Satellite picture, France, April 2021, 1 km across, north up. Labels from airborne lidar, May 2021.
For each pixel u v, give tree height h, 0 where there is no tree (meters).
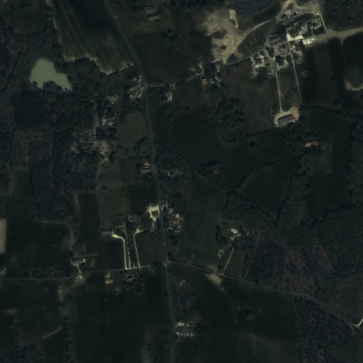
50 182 20
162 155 12
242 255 0
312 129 0
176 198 14
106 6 0
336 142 0
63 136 16
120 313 0
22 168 14
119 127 0
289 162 0
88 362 0
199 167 6
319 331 19
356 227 24
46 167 22
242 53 0
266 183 0
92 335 0
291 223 24
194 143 0
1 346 0
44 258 0
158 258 0
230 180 0
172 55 0
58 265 0
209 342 0
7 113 9
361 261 19
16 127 9
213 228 0
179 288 0
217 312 0
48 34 12
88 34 0
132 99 19
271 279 19
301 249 16
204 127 0
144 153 9
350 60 0
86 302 0
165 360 0
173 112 0
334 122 0
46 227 0
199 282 0
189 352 0
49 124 17
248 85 0
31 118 19
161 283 0
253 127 0
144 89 0
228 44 0
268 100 0
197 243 0
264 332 0
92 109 23
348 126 0
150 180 9
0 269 0
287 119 0
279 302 0
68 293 0
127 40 0
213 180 11
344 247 20
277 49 0
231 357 0
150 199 0
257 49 0
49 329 0
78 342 0
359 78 0
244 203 23
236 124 12
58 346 0
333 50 0
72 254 10
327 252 19
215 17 0
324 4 0
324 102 0
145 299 0
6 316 0
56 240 0
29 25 0
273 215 0
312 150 9
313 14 0
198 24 0
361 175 10
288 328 0
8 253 0
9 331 0
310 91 0
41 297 0
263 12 0
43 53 16
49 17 16
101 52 0
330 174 0
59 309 0
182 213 7
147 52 0
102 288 0
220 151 0
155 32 0
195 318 0
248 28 0
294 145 16
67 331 15
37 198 20
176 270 0
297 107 0
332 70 0
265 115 0
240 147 0
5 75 17
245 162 0
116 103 0
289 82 0
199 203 0
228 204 7
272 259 17
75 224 19
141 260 0
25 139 10
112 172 0
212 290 0
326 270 14
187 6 20
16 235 0
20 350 9
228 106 23
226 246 16
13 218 0
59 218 22
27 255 0
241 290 0
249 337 0
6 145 19
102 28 0
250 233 16
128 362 0
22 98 14
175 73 0
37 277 19
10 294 0
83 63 17
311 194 0
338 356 13
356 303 0
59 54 14
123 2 0
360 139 10
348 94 0
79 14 0
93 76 15
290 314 0
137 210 0
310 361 19
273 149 0
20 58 15
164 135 0
